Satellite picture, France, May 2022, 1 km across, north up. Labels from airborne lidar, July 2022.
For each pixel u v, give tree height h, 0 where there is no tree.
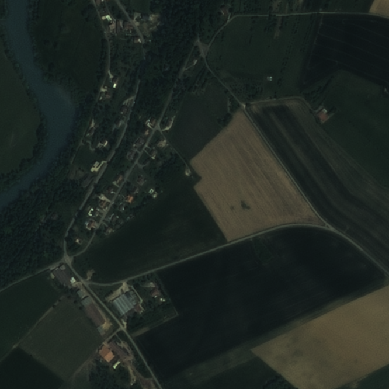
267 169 0
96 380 24
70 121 0
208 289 0
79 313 0
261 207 0
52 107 0
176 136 0
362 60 0
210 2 24
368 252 0
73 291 12
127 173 0
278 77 0
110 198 0
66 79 9
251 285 0
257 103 0
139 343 0
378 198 0
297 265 0
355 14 0
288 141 0
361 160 0
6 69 0
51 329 0
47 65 0
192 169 0
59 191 23
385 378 0
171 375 0
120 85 0
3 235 7
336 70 0
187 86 15
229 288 0
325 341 0
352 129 0
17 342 0
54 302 0
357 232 0
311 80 0
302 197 0
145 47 15
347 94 0
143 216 0
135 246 0
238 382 0
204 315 0
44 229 12
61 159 22
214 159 0
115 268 0
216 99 0
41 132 15
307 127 0
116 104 0
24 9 0
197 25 23
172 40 26
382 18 0
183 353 0
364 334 0
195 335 0
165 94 8
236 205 0
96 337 0
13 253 10
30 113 0
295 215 0
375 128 0
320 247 0
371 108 0
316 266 0
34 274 14
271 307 0
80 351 0
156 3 21
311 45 0
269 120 0
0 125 0
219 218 0
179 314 0
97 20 21
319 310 0
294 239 0
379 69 0
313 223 0
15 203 14
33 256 23
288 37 0
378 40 0
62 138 0
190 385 0
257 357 0
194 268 0
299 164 0
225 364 0
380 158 0
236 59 0
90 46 0
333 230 0
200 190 0
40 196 21
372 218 0
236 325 0
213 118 0
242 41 0
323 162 0
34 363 0
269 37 0
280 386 16
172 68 9
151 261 0
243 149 0
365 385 0
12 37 0
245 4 8
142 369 7
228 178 0
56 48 14
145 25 0
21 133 0
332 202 0
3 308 0
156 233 0
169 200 0
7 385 0
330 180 0
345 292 0
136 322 9
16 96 0
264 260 7
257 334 0
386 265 0
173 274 0
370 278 0
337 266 0
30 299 0
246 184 0
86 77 0
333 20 0
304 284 0
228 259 0
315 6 0
